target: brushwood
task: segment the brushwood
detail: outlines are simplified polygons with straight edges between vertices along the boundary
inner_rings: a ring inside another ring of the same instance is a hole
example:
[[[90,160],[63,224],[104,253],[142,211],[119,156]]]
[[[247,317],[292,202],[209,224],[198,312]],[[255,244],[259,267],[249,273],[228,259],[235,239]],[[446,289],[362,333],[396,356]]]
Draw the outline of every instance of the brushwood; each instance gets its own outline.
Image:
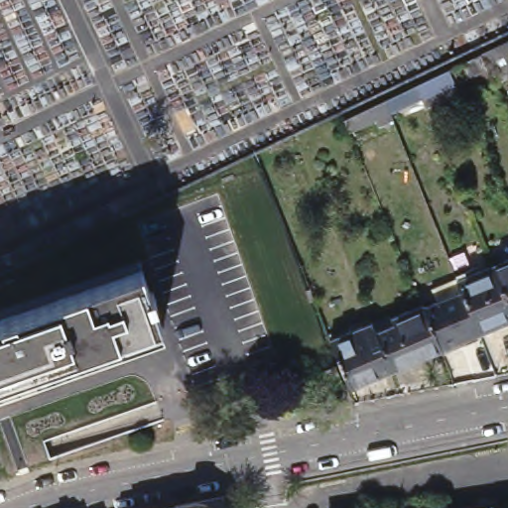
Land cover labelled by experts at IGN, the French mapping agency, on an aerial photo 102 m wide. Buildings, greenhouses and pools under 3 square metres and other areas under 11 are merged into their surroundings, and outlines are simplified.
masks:
[[[292,165],[294,157],[300,155],[298,151],[280,151],[274,157],[276,167]]]
[[[482,206],[494,208],[498,214],[508,214],[508,179],[500,161],[500,151],[494,133],[484,133],[484,135],[490,159]]]
[[[345,123],[345,121],[341,121],[341,119],[329,119],[329,121],[333,123],[333,137],[335,137],[335,139],[347,139],[349,135],[349,129],[347,129],[347,123]]]
[[[296,204],[300,222],[304,226],[323,226],[325,230],[337,228],[339,232],[355,232],[361,228],[363,232],[367,232],[367,238],[371,242],[381,242],[389,238],[389,228],[395,226],[395,222],[389,208],[379,206],[373,214],[367,216],[355,212],[349,204],[349,192],[343,190],[345,179],[329,175],[329,167],[335,167],[337,163],[333,159],[333,153],[329,151],[329,147],[321,147],[317,149],[316,163],[323,167],[323,171],[316,179],[316,187],[310,192],[304,190],[302,198]]]
[[[435,387],[452,385],[450,377],[454,373],[446,357],[435,357],[425,365],[427,377]]]
[[[129,435],[129,448],[135,452],[147,452],[155,443],[155,429],[145,429],[141,437]]]
[[[454,173],[454,185],[458,190],[476,189],[476,167],[472,161],[466,161]]]
[[[363,252],[355,260],[357,280],[373,278],[377,274],[375,256],[371,252]]]

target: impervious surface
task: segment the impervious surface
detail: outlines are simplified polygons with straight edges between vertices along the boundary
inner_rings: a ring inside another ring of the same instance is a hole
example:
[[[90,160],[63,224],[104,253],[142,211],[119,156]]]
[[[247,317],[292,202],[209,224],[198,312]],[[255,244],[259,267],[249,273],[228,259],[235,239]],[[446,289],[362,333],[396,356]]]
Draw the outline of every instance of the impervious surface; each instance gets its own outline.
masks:
[[[151,361],[141,361],[133,369],[133,373],[129,373],[129,369],[121,363],[99,375],[91,375],[85,379],[73,377],[69,379],[69,383],[63,385],[60,393],[50,397],[30,395],[10,405],[0,403],[0,419],[14,419],[20,413],[50,405],[54,401],[107,385],[123,377],[137,377],[145,381],[153,395],[153,403],[135,407],[131,411],[42,441],[36,454],[40,460],[50,460],[50,466],[38,470],[20,468],[12,478],[4,478],[0,482],[0,508],[171,508],[175,502],[192,500],[202,502],[206,508],[234,508],[228,500],[228,492],[234,492],[240,480],[236,480],[230,472],[246,470],[248,466],[262,468],[266,474],[268,492],[262,500],[266,508],[359,508],[357,496],[353,494],[357,488],[363,494],[381,500],[415,498],[427,494],[446,496],[450,500],[446,508],[508,508],[508,325],[494,333],[478,335],[472,343],[448,351],[446,357],[454,373],[450,377],[452,385],[435,387],[427,377],[425,365],[421,363],[409,373],[397,369],[397,375],[391,375],[389,379],[383,377],[375,383],[359,387],[357,391],[347,391],[343,403],[335,413],[294,409],[278,419],[264,419],[252,413],[256,433],[248,435],[242,443],[220,448],[218,441],[208,441],[202,441],[202,443],[194,443],[194,441],[192,441],[192,433],[190,433],[190,427],[192,427],[192,425],[189,411],[181,405],[185,395],[192,399],[204,395],[206,391],[212,391],[216,387],[218,379],[226,379],[228,383],[232,377],[244,377],[248,371],[258,371],[260,375],[276,375],[278,371],[286,369],[290,359],[302,355],[314,359],[319,353],[312,347],[306,347],[298,335],[268,333],[260,304],[256,300],[256,292],[246,272],[244,258],[234,238],[234,230],[230,228],[228,216],[224,214],[222,196],[218,192],[212,192],[208,196],[198,196],[189,202],[179,204],[179,190],[218,173],[220,169],[236,165],[278,141],[290,139],[306,129],[316,127],[319,123],[329,121],[329,119],[341,119],[341,121],[345,121],[425,81],[448,73],[454,65],[464,63],[476,60],[486,52],[492,52],[508,44],[508,0],[0,0],[0,314],[4,310],[20,306],[30,306],[30,310],[38,310],[65,298],[83,294],[87,290],[111,284],[119,276],[135,278],[137,274],[143,274],[143,286],[147,286],[159,302],[161,312],[157,312],[157,316],[163,321],[159,335],[167,343],[165,351],[153,355]],[[129,448],[129,435],[141,437],[145,429],[155,429],[165,429],[165,427],[167,427],[167,429],[175,429],[175,441],[171,441],[171,443],[155,443],[147,452],[135,452]]]
[[[468,246],[462,254],[450,258],[450,264],[454,268],[452,272],[427,284],[433,292],[433,288],[454,280],[454,276],[458,274],[464,274],[470,282],[488,278],[496,272],[498,266],[488,266],[486,260],[480,254],[476,254],[478,248]]]

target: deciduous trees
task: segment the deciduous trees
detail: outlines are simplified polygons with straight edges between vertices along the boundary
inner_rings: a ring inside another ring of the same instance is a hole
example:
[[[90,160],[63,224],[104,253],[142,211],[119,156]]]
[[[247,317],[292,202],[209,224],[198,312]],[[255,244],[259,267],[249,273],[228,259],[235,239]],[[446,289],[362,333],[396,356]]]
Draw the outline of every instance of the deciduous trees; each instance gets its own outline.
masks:
[[[337,367],[333,351],[329,355],[319,353],[314,359],[302,355],[290,359],[286,369],[278,371],[276,375],[260,375],[258,371],[248,371],[244,377],[232,377],[228,383],[226,379],[218,379],[216,387],[212,391],[206,391],[204,395],[192,399],[185,395],[181,405],[189,411],[192,425],[200,423],[202,427],[206,427],[206,429],[208,429],[208,441],[218,441],[220,448],[242,443],[248,435],[256,433],[252,413],[264,419],[278,419],[294,409],[335,413],[343,403],[347,391],[347,383],[341,381],[341,377],[327,373],[327,369]]]
[[[472,147],[484,135],[484,133],[480,125],[482,113],[478,113],[470,103],[454,99],[448,107],[435,107],[431,103],[429,107],[435,143],[468,143]]]
[[[427,494],[415,498],[381,500],[363,494],[357,488],[353,494],[357,496],[359,508],[446,508],[450,500],[446,496]]]
[[[266,508],[262,500],[268,492],[266,474],[262,468],[248,466],[246,470],[230,472],[236,480],[240,480],[234,492],[228,492],[228,500],[234,508]]]

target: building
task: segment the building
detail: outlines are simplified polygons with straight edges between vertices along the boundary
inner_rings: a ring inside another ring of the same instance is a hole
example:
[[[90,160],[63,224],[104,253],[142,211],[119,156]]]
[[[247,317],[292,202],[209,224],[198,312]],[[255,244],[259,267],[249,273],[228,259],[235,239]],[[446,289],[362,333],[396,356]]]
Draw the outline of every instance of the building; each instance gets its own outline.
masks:
[[[167,343],[159,335],[163,321],[157,316],[157,312],[161,312],[159,302],[147,286],[143,286],[143,274],[137,274],[135,278],[119,276],[111,284],[87,290],[83,294],[65,298],[38,310],[30,310],[30,306],[20,306],[4,310],[0,314],[0,403],[10,405],[30,395],[50,397],[60,393],[63,385],[69,383],[69,379],[73,377],[85,379],[91,375],[99,375],[121,363],[129,369],[129,373],[133,373],[133,369],[141,361],[151,361],[153,355],[165,351]]]
[[[433,292],[435,302],[431,306],[419,306],[411,312],[413,316],[405,319],[391,317],[391,325],[385,329],[375,329],[371,323],[367,323],[343,331],[341,337],[331,337],[333,351],[337,367],[327,369],[327,373],[341,377],[341,381],[347,383],[347,391],[357,391],[359,387],[375,383],[383,377],[389,379],[391,375],[397,375],[397,369],[409,373],[421,363],[425,365],[435,357],[446,357],[448,351],[472,343],[478,335],[494,333],[508,325],[508,264],[498,266],[496,272],[488,278],[470,282],[464,274],[458,274],[454,276],[454,280],[433,288]]]
[[[347,123],[347,129],[349,129],[349,135],[369,125],[391,129],[395,115],[413,115],[429,107],[431,103],[444,89],[452,89],[454,81],[448,73],[425,81],[345,121],[345,123]]]
[[[175,502],[171,508],[206,508],[202,502],[192,500]]]
[[[492,52],[486,52],[476,60],[464,63],[466,77],[486,77],[488,83],[500,77],[502,87],[508,91],[508,44]]]

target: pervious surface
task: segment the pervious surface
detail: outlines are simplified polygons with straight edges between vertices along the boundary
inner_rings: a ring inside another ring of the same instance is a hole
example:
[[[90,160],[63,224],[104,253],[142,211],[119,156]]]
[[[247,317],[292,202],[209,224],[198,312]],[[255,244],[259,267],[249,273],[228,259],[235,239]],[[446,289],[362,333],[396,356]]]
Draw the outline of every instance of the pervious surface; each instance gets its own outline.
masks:
[[[167,429],[167,427],[165,427],[165,429],[155,429],[155,443],[171,443],[171,441],[175,441],[175,429]]]
[[[119,387],[117,393],[109,393],[105,397],[89,401],[89,413],[97,413],[105,407],[131,401],[135,397],[135,391],[131,385],[125,385]]]

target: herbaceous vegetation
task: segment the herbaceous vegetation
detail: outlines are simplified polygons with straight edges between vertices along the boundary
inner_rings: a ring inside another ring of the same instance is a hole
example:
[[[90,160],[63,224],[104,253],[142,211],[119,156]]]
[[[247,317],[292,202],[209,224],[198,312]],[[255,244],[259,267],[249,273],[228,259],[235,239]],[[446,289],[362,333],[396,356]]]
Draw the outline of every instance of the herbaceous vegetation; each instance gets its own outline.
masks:
[[[508,179],[508,91],[502,87],[500,77],[488,83],[486,77],[466,77],[464,63],[454,65],[448,73],[454,81],[452,89],[444,89],[431,103],[435,107],[448,107],[454,99],[470,103],[478,113],[482,113],[480,125],[484,133],[494,133],[500,151],[500,161]]]
[[[296,204],[302,198],[304,190],[310,192],[316,187],[316,179],[323,171],[323,167],[316,163],[317,149],[321,147],[329,147],[329,151],[333,153],[333,159],[337,163],[335,167],[329,167],[329,175],[345,179],[343,190],[349,192],[349,204],[355,212],[367,216],[373,214],[379,206],[389,208],[395,222],[395,226],[389,228],[389,238],[381,242],[371,242],[367,238],[367,232],[363,232],[361,228],[355,232],[339,232],[337,228],[325,230],[323,226],[304,226],[300,222]],[[276,167],[274,157],[280,151],[298,151],[300,155],[294,157],[292,165]],[[224,214],[228,216],[230,228],[234,230],[234,238],[244,258],[246,272],[256,292],[256,300],[260,304],[268,333],[298,335],[306,347],[312,347],[319,353],[329,355],[333,351],[331,337],[341,337],[343,331],[367,323],[371,323],[375,329],[385,329],[391,325],[391,317],[405,319],[413,316],[411,312],[419,306],[431,306],[435,302],[433,292],[427,284],[452,272],[454,268],[450,264],[450,258],[462,254],[468,246],[478,248],[476,254],[480,254],[486,260],[488,266],[498,266],[508,264],[508,214],[498,214],[494,208],[482,206],[490,159],[484,135],[472,147],[468,143],[435,143],[429,107],[413,115],[395,115],[391,129],[369,125],[349,135],[347,139],[335,139],[335,137],[333,137],[333,123],[329,121],[319,123],[316,127],[306,129],[290,139],[278,141],[236,165],[220,169],[218,173],[179,190],[179,204],[189,202],[198,196],[208,196],[212,192],[218,192],[222,196]],[[476,167],[476,189],[458,190],[454,185],[454,173],[466,161],[472,161]],[[363,252],[371,252],[375,256],[377,274],[373,278],[357,280],[355,260]]]
[[[105,397],[109,393],[117,393],[119,387],[125,385],[131,385],[135,391],[135,397],[131,401],[105,407],[97,413],[89,413],[89,401]],[[0,482],[4,478],[12,478],[20,468],[38,470],[50,466],[50,460],[40,460],[36,454],[42,441],[131,411],[135,407],[153,403],[153,395],[145,381],[137,377],[123,377],[107,385],[54,401],[50,405],[20,413],[14,419],[0,419]]]
[[[192,427],[190,427],[190,433],[192,433],[192,441],[194,441],[194,443],[202,443],[202,441],[208,441],[208,429],[206,429],[206,427],[202,427],[200,423],[192,425]]]

